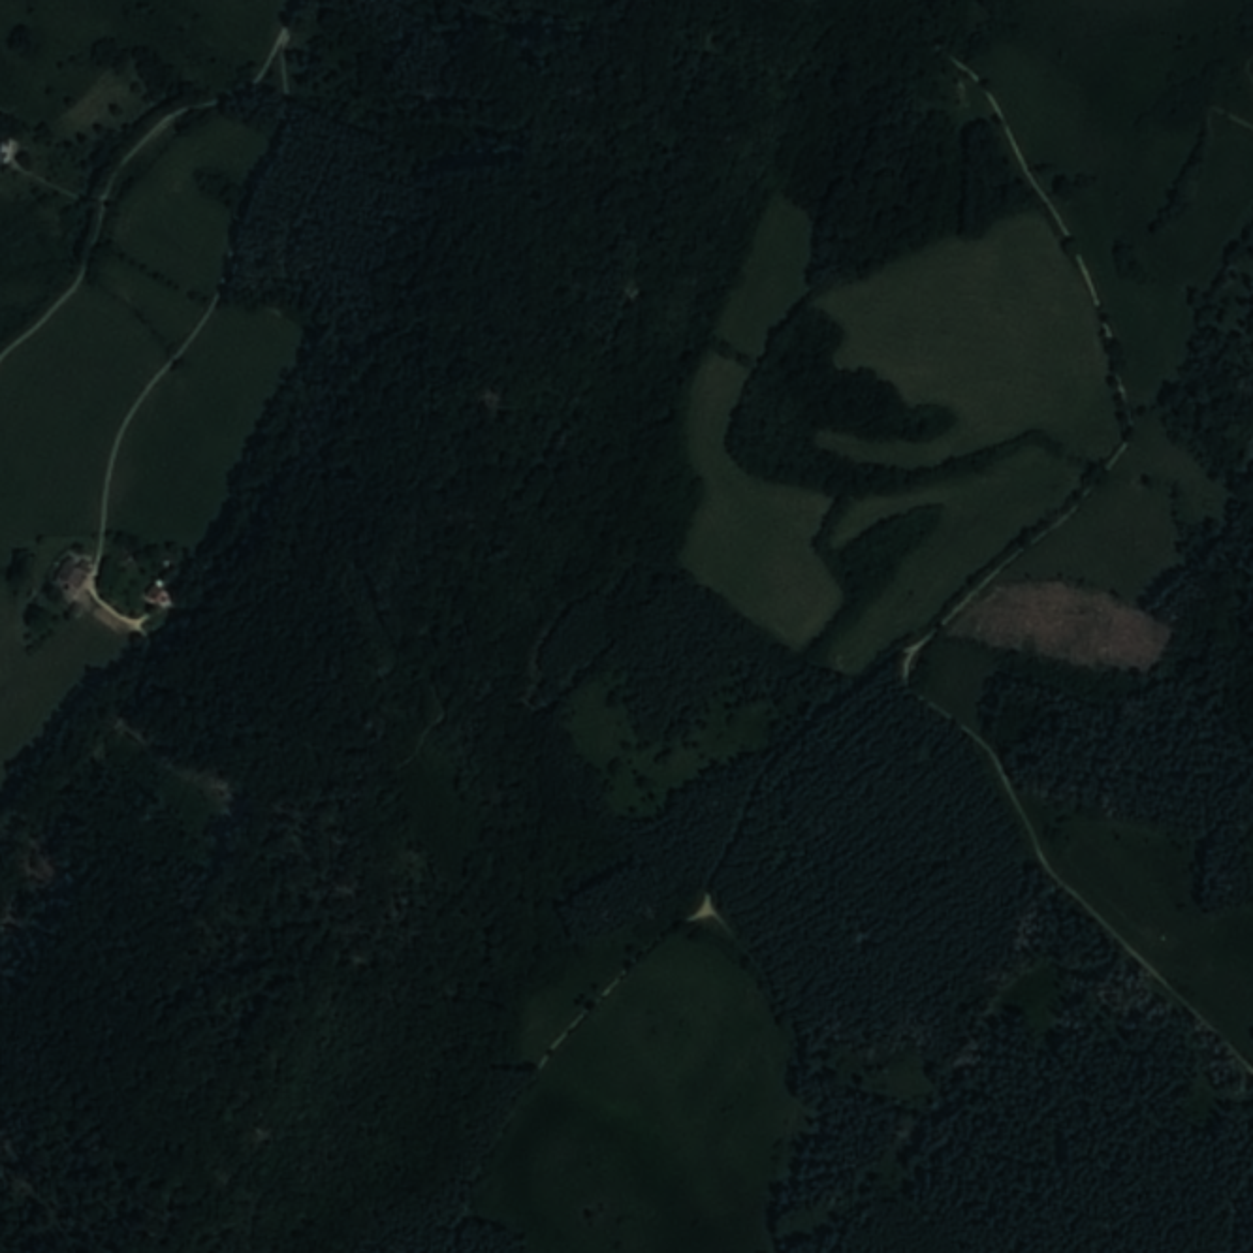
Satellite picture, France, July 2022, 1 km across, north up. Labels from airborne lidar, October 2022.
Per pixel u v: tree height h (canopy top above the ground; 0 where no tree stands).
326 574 19
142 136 7
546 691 16
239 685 23
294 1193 17
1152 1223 26
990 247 0
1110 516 0
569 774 21
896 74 9
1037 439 7
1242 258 14
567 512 10
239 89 6
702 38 10
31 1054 25
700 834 22
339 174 24
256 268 24
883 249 9
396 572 12
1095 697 6
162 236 0
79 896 28
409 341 27
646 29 14
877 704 23
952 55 8
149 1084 25
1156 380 0
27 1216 28
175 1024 30
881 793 18
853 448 0
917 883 14
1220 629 25
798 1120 0
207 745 28
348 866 19
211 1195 15
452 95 35
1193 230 0
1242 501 22
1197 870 9
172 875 17
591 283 15
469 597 19
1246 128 0
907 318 0
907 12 12
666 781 0
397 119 9
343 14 13
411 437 30
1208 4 0
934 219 15
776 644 8
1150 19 0
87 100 0
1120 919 0
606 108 15
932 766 21
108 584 9
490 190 26
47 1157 29
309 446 28
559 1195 0
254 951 11
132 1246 27
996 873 18
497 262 23
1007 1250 24
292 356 0
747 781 25
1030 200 19
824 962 20
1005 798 7
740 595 0
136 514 0
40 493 0
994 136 19
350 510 29
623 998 0
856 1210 6
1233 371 17
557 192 20
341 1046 10
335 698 23
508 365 12
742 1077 0
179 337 0
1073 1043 29
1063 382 0
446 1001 23
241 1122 18
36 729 0
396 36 21
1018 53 0
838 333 9
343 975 18
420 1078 26
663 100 12
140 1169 26
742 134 14
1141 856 0
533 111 21
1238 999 0
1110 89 0
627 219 17
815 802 19
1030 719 10
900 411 14
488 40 36
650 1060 0
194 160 0
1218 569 19
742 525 0
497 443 16
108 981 25
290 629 28
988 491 0
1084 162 0
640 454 16
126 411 0
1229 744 31
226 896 23
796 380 18
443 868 14
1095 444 0
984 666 0
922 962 23
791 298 0
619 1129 0
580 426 14
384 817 24
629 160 9
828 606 0
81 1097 23
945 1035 22
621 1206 0
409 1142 28
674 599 18
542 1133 0
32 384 0
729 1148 0
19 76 0
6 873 19
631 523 18
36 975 31
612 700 10
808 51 15
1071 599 0
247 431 0
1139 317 0
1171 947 0
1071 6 0
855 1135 24
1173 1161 29
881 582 8
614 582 7
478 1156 24
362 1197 25
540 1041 0
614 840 11
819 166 12
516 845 21
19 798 25
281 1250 26
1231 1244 16
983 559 0
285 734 30
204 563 15
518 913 31
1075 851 0
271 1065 19
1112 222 0
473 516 20
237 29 0
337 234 28
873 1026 22
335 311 30
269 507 30
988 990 18
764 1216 0
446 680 14
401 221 20
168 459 0
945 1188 29
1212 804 29
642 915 23
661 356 10
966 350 0
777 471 15
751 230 15
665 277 10
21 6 0
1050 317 0
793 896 15
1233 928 0
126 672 21
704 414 0
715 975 0
